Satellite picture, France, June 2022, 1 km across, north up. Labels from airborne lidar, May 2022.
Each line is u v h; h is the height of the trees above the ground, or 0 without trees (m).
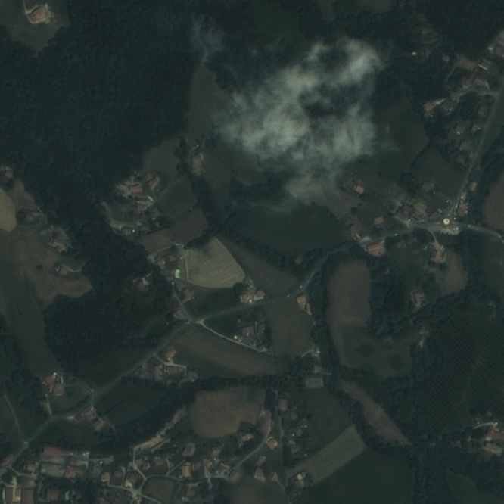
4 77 31
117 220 0
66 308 19
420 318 13
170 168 0
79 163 25
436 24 17
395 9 14
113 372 0
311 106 23
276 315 0
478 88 8
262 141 9
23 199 0
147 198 0
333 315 0
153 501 0
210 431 0
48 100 28
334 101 18
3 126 31
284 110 26
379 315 21
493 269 0
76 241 18
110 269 21
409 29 8
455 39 18
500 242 0
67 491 13
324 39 22
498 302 17
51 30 0
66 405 0
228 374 0
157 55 20
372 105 23
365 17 21
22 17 0
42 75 29
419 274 0
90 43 12
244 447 11
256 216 0
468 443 12
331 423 0
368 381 31
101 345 27
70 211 23
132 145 29
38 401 14
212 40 21
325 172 0
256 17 0
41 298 0
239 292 18
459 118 15
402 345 0
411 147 0
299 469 0
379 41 27
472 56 25
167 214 0
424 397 14
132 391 0
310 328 0
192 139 0
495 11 29
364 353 0
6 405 0
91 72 29
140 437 24
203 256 0
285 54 12
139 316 0
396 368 0
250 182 0
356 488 0
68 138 28
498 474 22
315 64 17
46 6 0
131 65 28
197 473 0
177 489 0
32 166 12
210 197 18
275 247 0
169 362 0
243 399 0
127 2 22
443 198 0
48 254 0
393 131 0
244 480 0
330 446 0
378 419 0
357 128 15
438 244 0
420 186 9
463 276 0
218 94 0
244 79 23
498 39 0
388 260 27
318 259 25
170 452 10
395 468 0
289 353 0
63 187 24
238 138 0
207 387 19
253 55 25
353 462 0
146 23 19
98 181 28
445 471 12
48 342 22
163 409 24
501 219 0
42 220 0
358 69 24
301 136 28
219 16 14
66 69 25
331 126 25
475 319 0
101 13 29
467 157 8
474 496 0
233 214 11
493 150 12
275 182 17
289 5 14
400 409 32
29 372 14
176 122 22
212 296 0
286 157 0
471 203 10
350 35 16
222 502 25
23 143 16
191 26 27
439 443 10
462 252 9
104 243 27
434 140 16
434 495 24
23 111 22
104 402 0
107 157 18
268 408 11
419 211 0
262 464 7
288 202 0
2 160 14
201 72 0
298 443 7
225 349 0
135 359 0
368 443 15
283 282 0
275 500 0
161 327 0
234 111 20
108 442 7
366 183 0
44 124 29
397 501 0
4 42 27
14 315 0
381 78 25
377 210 0
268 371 0
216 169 0
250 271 0
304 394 10
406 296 16
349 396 14
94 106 26
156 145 24
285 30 0
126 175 23
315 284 18
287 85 21
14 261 0
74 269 0
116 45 14
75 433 0
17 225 0
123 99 23
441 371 12
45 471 0
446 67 6
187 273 0
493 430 0
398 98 20
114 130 20
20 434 0
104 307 19
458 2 22
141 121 24
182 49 27
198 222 0
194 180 12
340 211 0
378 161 0
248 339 0
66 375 8
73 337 22
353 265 0
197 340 0
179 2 19
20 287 0
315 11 21
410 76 29
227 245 0
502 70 7
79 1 22
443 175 0
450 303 20
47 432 0
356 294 0
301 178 0
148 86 23
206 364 0
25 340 0
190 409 0
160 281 14
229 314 0
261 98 22
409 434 19
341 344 0
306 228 0
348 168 0
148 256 7
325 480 0
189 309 0
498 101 0
